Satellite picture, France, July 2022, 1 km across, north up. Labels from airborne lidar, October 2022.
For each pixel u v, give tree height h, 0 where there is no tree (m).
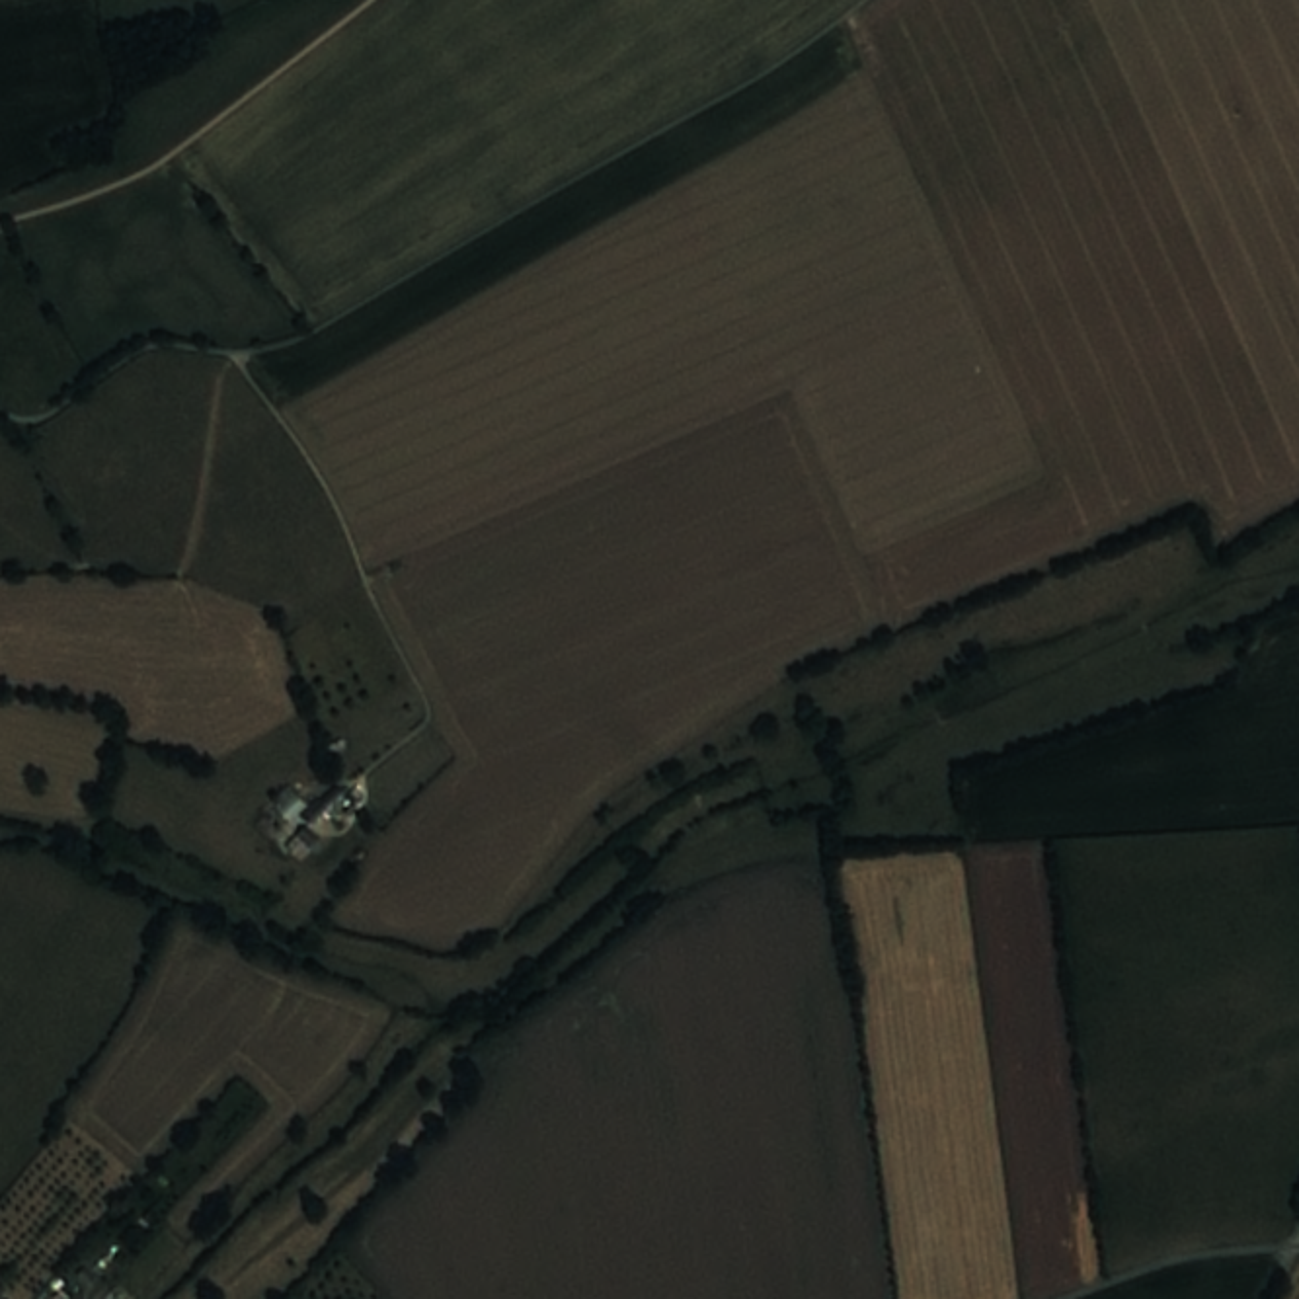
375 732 0
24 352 0
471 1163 0
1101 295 0
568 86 0
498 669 0
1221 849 0
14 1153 0
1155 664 0
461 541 0
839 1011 0
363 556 0
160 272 0
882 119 0
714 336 0
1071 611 0
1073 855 0
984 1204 0
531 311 0
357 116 0
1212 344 0
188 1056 0
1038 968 0
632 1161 0
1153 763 0
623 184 0
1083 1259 0
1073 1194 0
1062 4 0
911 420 0
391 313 0
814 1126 0
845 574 0
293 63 0
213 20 24
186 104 0
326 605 0
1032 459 0
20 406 0
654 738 0
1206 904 0
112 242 0
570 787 0
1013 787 0
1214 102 0
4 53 0
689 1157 0
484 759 0
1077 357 0
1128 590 0
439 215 0
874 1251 0
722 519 0
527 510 0
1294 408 0
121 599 0
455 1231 0
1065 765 0
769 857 0
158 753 16
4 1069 0
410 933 0
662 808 6
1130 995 0
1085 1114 7
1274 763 0
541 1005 7
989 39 0
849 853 14
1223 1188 0
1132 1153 0
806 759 0
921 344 0
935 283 0
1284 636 0
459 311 0
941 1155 0
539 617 0
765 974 0
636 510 0
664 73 0
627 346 0
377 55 0
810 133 0
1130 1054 0
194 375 0
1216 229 0
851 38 0
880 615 0
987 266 0
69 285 0
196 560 0
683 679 0
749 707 0
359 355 0
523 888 0
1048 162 0
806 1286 0
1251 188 0
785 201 0
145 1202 7
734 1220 0
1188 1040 0
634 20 0
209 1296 17
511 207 0
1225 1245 0
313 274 0
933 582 0
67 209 0
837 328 0
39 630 0
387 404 0
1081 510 0
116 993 0
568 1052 0
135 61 21
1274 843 0
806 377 0
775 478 0
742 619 0
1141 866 0
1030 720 0
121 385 0
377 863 0
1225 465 0
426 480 0
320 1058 0
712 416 0
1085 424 0
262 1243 0
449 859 0
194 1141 16
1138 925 0
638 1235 0
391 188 0
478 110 0
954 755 0
